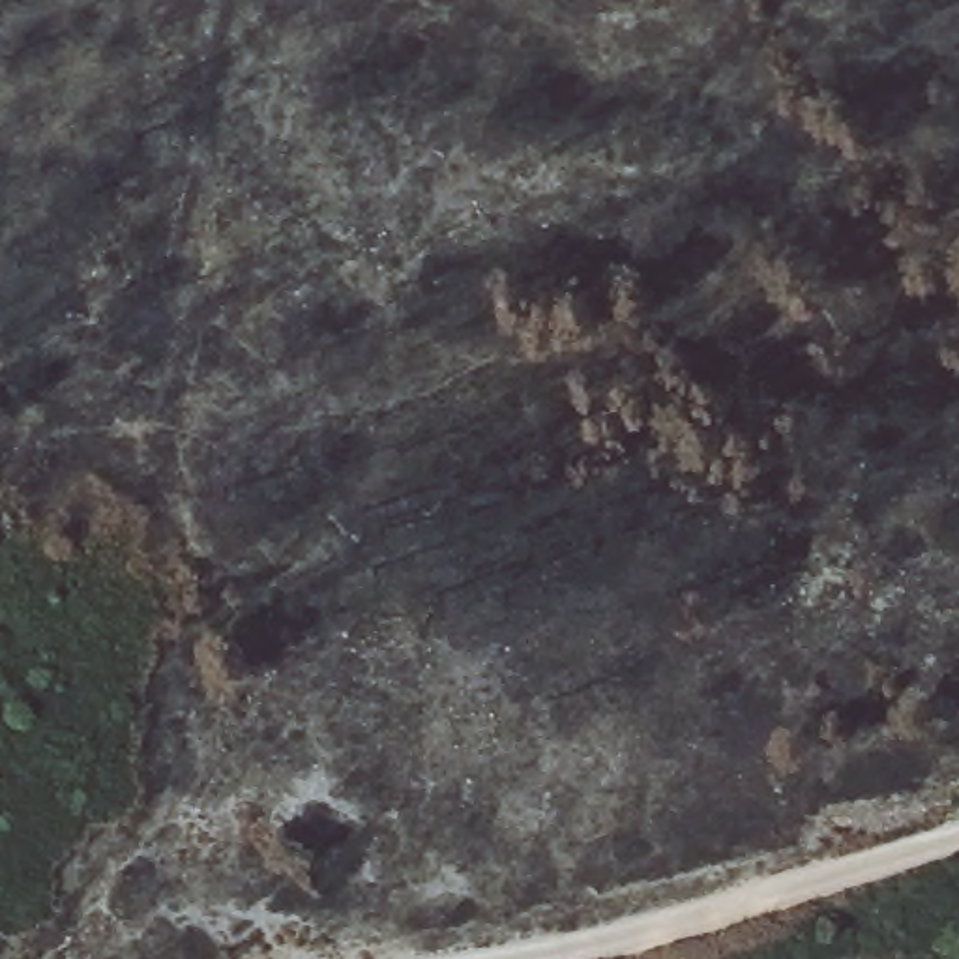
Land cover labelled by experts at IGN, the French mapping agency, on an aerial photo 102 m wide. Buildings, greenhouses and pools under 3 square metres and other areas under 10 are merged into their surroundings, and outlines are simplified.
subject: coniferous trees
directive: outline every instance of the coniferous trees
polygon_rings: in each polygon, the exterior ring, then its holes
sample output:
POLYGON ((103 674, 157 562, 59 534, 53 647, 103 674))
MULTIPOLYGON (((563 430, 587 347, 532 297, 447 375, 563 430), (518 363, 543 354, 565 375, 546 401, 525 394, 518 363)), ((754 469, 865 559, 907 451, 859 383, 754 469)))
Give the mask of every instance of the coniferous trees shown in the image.
POLYGON ((210 704, 229 704, 236 682, 221 663, 225 641, 217 633, 206 633, 195 644, 202 689, 210 704))
POLYGON ((854 172, 854 187, 847 195, 847 210, 839 210, 832 221, 805 217, 794 232, 772 240, 764 251, 768 266, 760 270, 768 303, 775 303, 787 318, 794 318, 805 330, 805 352, 824 378, 847 375, 847 352, 854 345, 850 330, 865 318, 865 311, 899 303, 907 292, 925 296, 952 288, 959 296, 959 150, 944 150, 940 157, 922 154, 914 176, 903 165, 862 165, 858 142, 847 131, 847 124, 839 124, 832 94, 790 94, 790 101, 775 97, 775 116, 798 124, 809 139, 817 139, 802 157, 798 184, 790 187, 794 202, 817 202, 817 187, 839 180, 847 169, 854 172))
POLYGON ((536 472, 554 487, 622 491, 633 513, 656 517, 656 558, 671 584, 678 633, 701 637, 716 614, 708 577, 712 558, 723 547, 738 543, 745 532, 757 532, 764 502, 745 491, 749 465, 738 438, 727 438, 716 457, 701 453, 697 438, 712 420, 708 393, 693 378, 674 375, 674 352, 637 326, 637 277, 629 266, 614 266, 614 315, 592 326, 588 333, 577 326, 573 307, 562 300, 554 307, 536 307, 532 300, 509 300, 502 270, 487 273, 483 288, 494 303, 498 330, 521 341, 521 352, 528 360, 517 367, 524 386, 517 390, 517 397, 539 442, 536 472))
POLYGON ((817 701, 817 686, 783 686, 779 723, 768 738, 772 794, 783 794, 790 772, 813 783, 828 783, 839 775, 847 760, 862 753, 888 749, 888 742, 895 738, 918 738, 914 708, 925 701, 925 693, 918 686, 903 689, 899 704, 888 712, 880 727, 843 738, 835 730, 835 716, 828 712, 828 704, 817 701))

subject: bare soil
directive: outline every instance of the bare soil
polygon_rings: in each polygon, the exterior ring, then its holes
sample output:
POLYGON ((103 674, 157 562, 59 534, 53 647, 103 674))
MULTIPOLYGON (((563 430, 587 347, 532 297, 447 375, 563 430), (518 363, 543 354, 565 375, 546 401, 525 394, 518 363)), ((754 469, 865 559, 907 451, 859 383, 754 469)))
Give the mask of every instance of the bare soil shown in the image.
POLYGON ((52 892, 56 918, 41 925, 34 937, 7 933, 7 940, 0 940, 0 959, 397 959, 405 948, 465 952, 509 944, 532 933, 573 933, 626 914, 701 899, 734 888, 749 877, 775 877, 809 862, 884 847, 959 820, 959 296, 952 288, 925 296, 907 292, 899 303, 865 311, 865 318, 850 330, 854 345, 847 352, 847 375, 824 378, 805 352, 805 330, 794 318, 787 318, 775 303, 768 303, 760 270, 768 266, 764 251, 772 240, 794 232, 805 217, 832 221, 839 210, 847 210, 847 195, 854 187, 854 172, 847 169, 839 180, 817 187, 817 202, 794 202, 790 187, 798 184, 802 157, 817 139, 809 139, 798 124, 775 116, 775 97, 790 101, 790 94, 832 94, 839 124, 847 124, 847 131, 858 142, 862 165, 903 165, 914 176, 922 154, 940 157, 944 150, 959 150, 959 0, 0 0, 0 528, 7 539, 19 539, 19 532, 37 528, 45 528, 49 536, 64 536, 71 547, 79 543, 90 558, 101 562, 101 577, 165 584, 172 607, 169 618, 150 626, 150 633, 157 633, 157 652, 146 689, 127 697, 127 708, 142 734, 135 757, 142 794, 135 813, 124 824, 105 820, 101 828, 86 828, 86 835, 71 847, 64 888, 52 892), (539 442, 517 397, 517 390, 524 386, 517 367, 528 360, 521 352, 521 341, 498 330, 494 303, 483 288, 487 273, 502 270, 509 300, 532 300, 536 307, 554 307, 562 300, 573 307, 577 326, 588 333, 592 326, 614 315, 614 266, 629 266, 637 277, 637 326, 674 352, 674 375, 693 378, 708 393, 712 420, 697 438, 701 453, 716 457, 727 438, 738 438, 749 465, 745 491, 764 502, 757 532, 745 532, 738 543, 723 547, 712 558, 708 577, 716 614, 701 637, 678 633, 671 584, 656 558, 656 517, 633 513, 622 491, 554 487, 536 472, 539 442), (229 704, 210 704, 202 689, 195 644, 206 633, 217 633, 225 641, 221 663, 236 682, 229 704), (828 783, 813 783, 790 772, 783 794, 772 794, 768 738, 779 723, 783 686, 817 686, 817 701, 828 704, 828 712, 835 716, 835 730, 843 738, 880 727, 888 712, 899 704, 903 689, 918 686, 925 693, 925 701, 914 708, 918 738, 895 738, 888 742, 888 749, 862 753, 847 760, 839 775, 828 783))

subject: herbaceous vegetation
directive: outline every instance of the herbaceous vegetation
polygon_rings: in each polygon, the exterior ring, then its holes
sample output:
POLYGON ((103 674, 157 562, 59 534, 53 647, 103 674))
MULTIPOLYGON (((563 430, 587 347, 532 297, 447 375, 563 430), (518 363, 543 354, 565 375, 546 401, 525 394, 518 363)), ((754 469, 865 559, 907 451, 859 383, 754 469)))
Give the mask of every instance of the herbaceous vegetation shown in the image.
POLYGON ((150 633, 150 626, 169 618, 172 607, 165 584, 101 577, 101 562, 90 558, 79 543, 71 547, 64 536, 49 536, 45 528, 37 528, 19 532, 19 539, 7 539, 0 528, 0 940, 7 940, 7 933, 34 937, 41 925, 56 918, 52 892, 64 888, 71 847, 86 835, 86 828, 101 828, 105 820, 124 824, 135 813, 142 794, 135 757, 142 734, 127 708, 127 697, 146 689, 157 652, 157 633, 150 633))
POLYGON ((712 933, 656 944, 637 955, 603 959, 959 959, 959 850, 835 895, 764 910, 712 933))

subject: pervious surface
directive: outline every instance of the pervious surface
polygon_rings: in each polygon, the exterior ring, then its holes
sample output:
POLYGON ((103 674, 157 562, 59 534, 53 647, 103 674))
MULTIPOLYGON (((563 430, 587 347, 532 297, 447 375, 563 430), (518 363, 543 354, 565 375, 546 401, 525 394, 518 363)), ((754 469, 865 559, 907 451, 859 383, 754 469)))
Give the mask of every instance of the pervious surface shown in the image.
POLYGON ((701 899, 626 914, 573 933, 532 933, 509 944, 465 952, 405 948, 397 959, 603 959, 637 955, 656 944, 712 933, 764 910, 835 895, 959 850, 959 820, 884 847, 809 862, 775 877, 749 877, 734 888, 701 899))

